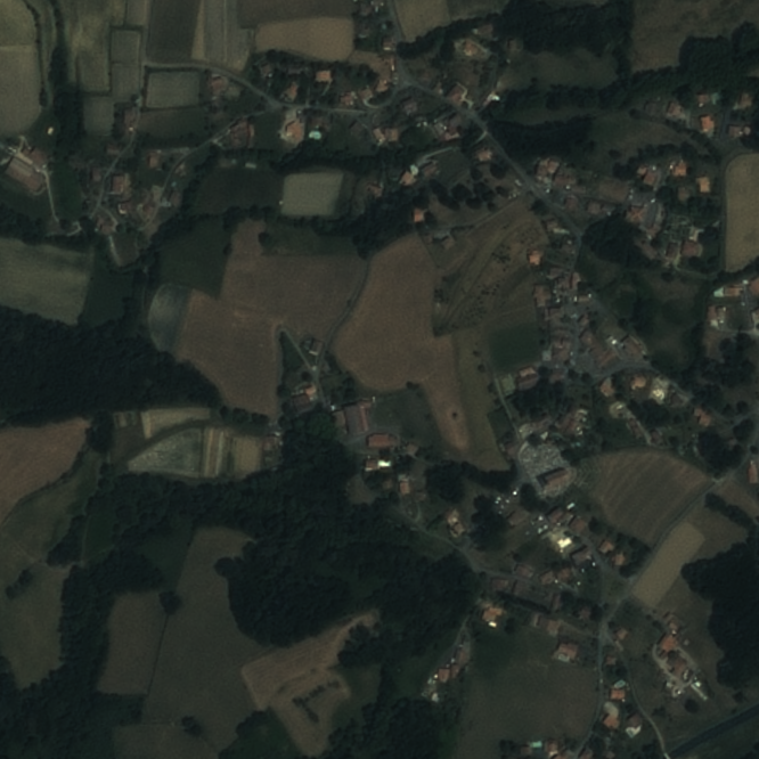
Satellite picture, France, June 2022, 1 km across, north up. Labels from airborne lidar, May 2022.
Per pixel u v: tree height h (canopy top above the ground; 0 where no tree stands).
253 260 0
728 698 0
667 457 0
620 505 0
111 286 0
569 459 13
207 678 0
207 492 23
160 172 0
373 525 33
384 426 0
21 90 0
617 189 0
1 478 0
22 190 0
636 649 0
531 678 0
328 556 21
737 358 24
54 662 0
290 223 8
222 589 0
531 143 22
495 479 16
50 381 25
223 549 0
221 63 0
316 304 0
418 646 18
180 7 0
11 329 26
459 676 7
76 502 0
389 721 21
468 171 0
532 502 14
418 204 17
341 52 0
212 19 0
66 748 11
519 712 0
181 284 0
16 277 0
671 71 13
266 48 0
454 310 0
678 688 0
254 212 12
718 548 0
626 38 15
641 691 0
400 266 0
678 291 0
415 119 7
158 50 0
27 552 0
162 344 0
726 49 27
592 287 9
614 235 20
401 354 0
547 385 20
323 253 0
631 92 26
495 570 0
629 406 7
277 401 0
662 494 0
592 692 0
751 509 0
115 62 0
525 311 0
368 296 0
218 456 0
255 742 0
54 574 0
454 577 12
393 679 7
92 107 0
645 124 0
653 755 14
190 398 22
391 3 0
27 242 19
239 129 0
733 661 21
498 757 0
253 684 0
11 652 0
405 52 18
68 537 6
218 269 0
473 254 0
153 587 13
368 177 7
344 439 0
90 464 0
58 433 0
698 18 0
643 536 0
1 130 0
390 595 16
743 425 8
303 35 0
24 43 0
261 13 0
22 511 0
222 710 0
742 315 0
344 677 0
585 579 0
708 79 29
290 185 0
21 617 0
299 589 21
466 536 7
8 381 15
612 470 0
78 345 28
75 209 0
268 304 0
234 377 0
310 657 0
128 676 0
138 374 27
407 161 9
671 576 0
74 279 0
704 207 16
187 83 0
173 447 0
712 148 12
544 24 22
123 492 9
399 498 9
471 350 0
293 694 0
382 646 21
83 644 23
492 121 10
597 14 22
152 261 19
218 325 0
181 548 0
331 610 17
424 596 12
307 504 26
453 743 0
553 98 7
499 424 0
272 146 0
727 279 16
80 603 26
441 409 0
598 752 16
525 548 0
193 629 0
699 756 0
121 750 0
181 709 0
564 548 0
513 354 0
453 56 17
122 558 16
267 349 0
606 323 0
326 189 0
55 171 6
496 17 13
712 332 0
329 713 0
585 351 7
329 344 0
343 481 19
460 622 7
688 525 0
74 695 18
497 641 0
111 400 19
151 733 0
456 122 0
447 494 23
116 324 12
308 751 0
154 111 0
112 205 6
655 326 13
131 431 0
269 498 22
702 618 0
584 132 22
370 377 0
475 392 0
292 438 15
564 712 0
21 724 22
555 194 7
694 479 0
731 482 0
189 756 0
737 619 18
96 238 18
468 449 0
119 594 22
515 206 0
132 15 0
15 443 0
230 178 0
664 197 14
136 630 0
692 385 10
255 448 0
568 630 0
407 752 25
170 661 0
